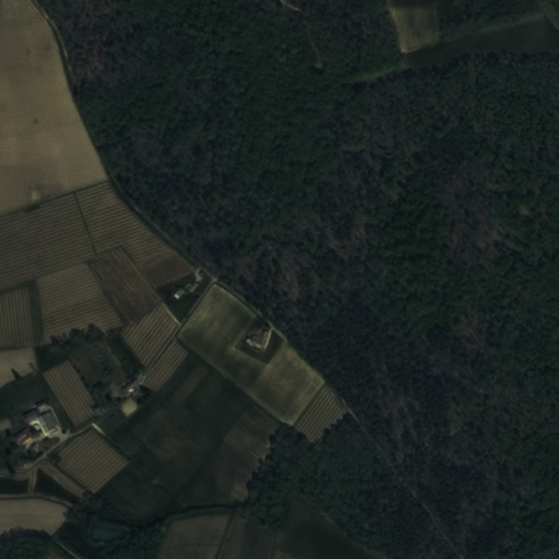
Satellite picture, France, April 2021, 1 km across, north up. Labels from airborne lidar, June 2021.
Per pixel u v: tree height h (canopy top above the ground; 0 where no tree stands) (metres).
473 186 20
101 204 0
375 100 23
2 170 0
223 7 26
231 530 0
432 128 13
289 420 0
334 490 23
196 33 22
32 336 0
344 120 24
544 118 18
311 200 23
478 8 15
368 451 23
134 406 0
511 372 7
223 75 19
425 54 0
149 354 0
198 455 0
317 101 28
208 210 10
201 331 0
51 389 0
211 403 0
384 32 22
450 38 16
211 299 0
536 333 20
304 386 0
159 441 0
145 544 13
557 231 21
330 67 20
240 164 23
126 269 0
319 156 22
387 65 26
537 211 22
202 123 25
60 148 0
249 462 0
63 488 0
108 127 18
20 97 0
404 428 17
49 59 0
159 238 0
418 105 19
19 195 0
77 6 19
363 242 7
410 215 15
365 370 25
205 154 25
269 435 0
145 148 10
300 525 0
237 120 18
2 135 0
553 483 23
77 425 0
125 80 18
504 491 24
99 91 23
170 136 19
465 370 14
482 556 18
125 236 0
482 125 22
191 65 25
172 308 0
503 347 24
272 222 23
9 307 0
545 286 22
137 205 10
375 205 25
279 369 0
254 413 0
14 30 0
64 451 0
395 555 18
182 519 0
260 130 22
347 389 23
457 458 18
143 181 19
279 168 22
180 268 0
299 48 21
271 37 26
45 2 15
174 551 0
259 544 0
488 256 15
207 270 10
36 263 0
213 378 0
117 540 12
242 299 13
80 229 0
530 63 23
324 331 11
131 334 0
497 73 24
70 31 8
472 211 15
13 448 15
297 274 18
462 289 19
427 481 16
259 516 17
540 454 23
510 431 24
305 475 18
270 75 26
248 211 20
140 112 18
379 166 29
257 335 0
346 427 14
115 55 10
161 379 0
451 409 21
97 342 18
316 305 17
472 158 7
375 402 16
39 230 0
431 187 10
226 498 0
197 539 0
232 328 0
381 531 22
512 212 21
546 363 20
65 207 0
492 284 13
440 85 18
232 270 7
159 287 0
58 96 0
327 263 17
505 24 20
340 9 23
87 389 8
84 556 9
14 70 0
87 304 0
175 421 0
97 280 0
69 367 0
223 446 0
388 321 22
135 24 9
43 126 0
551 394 24
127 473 0
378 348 31
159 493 0
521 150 20
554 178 17
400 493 22
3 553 23
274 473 20
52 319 0
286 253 20
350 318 29
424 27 0
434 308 17
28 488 0
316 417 0
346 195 20
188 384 0
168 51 22
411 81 24
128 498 0
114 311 0
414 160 21
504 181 17
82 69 9
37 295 0
